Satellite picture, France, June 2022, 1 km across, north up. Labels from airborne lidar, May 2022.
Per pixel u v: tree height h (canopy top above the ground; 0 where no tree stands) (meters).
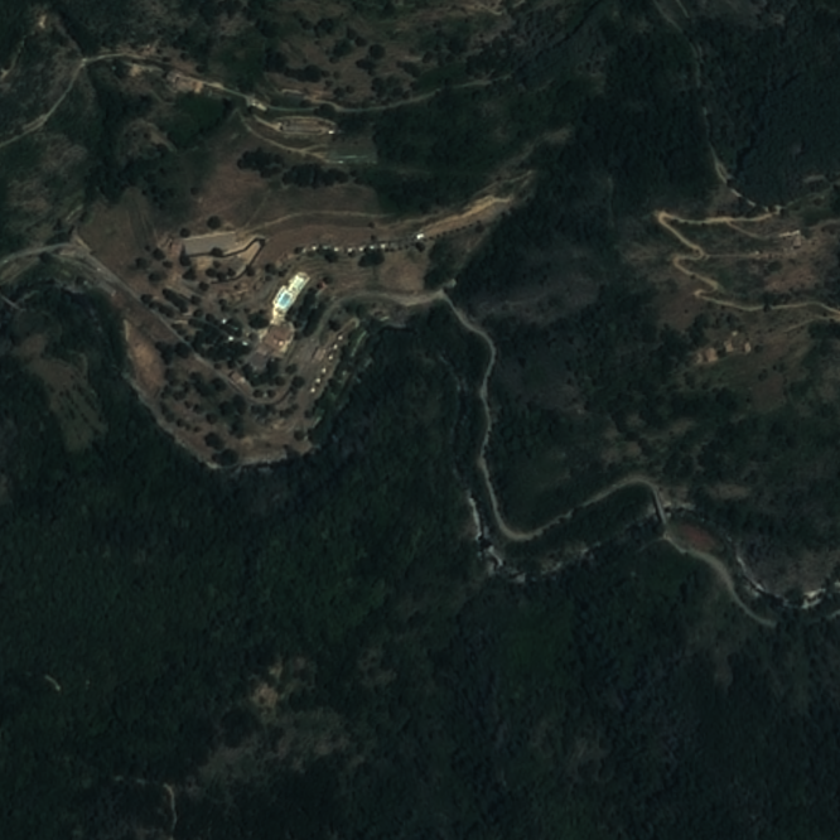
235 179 0
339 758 17
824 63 10
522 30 22
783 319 0
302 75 15
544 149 8
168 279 0
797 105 31
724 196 0
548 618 6
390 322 0
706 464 17
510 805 21
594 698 30
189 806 13
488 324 10
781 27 9
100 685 9
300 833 24
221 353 12
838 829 14
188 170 0
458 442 9
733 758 15
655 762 15
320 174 15
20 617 19
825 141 32
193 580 18
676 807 14
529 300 0
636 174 12
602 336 10
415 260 0
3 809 12
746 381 0
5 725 13
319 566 14
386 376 11
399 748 10
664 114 6
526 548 11
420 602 11
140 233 0
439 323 17
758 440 6
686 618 9
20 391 12
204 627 6
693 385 13
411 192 15
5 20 8
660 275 0
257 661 16
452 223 0
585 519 18
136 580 14
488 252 12
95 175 11
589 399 8
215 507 10
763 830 9
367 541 15
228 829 13
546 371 0
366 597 16
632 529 5
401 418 11
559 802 16
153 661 15
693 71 14
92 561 13
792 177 14
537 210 23
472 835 20
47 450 13
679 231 0
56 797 15
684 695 13
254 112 14
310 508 13
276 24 9
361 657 12
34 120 8
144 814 14
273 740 5
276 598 14
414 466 9
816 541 7
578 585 24
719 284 0
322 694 9
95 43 13
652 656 18
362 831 5
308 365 0
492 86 8
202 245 0
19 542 23
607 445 7
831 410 10
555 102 10
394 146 16
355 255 12
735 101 7
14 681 14
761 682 13
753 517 12
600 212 7
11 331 14
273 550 13
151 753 19
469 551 19
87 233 0
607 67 19
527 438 17
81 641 18
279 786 15
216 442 19
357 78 0
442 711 7
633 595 18
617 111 12
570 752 14
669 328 6
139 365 0
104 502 15
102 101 15
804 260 0
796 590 11
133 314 0
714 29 9
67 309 17
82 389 8
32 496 22
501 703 6
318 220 0
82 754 18
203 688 15
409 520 11
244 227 0
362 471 12
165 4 6
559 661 7
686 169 13
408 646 8
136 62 9
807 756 17
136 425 21
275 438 0
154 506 16
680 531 0
